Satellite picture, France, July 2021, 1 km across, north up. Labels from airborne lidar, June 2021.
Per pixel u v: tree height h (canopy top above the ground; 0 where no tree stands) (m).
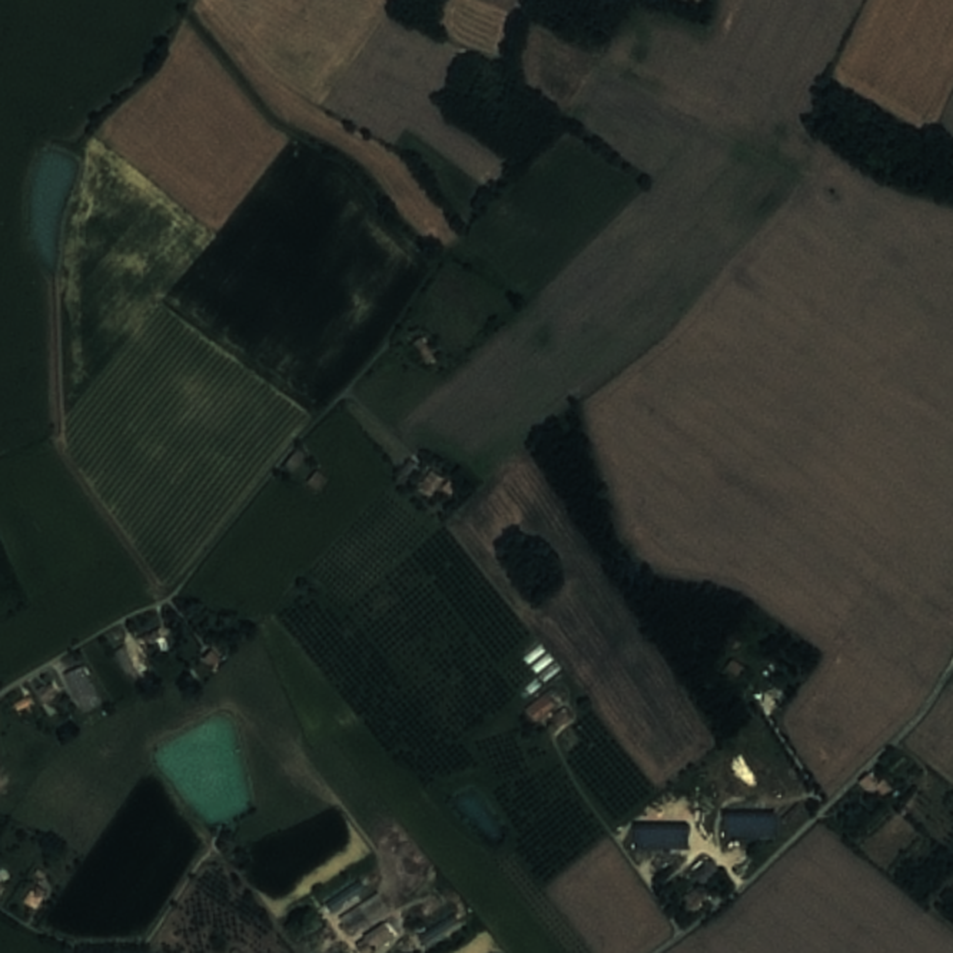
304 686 0
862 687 0
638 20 0
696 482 0
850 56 0
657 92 0
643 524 0
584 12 19
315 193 0
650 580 18
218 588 0
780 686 12
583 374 0
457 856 0
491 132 15
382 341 0
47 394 0
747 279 0
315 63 0
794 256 0
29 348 0
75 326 0
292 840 0
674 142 0
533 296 0
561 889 0
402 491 11
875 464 0
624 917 0
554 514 0
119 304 0
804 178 0
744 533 0
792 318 0
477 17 0
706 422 0
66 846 19
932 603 0
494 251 0
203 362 0
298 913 10
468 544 0
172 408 0
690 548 0
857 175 0
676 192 0
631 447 0
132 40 0
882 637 0
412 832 0
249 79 0
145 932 0
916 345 0
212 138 0
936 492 0
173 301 0
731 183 0
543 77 0
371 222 0
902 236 0
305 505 0
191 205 0
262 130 0
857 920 0
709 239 0
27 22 0
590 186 0
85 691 0
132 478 0
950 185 13
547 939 0
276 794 0
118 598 0
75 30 0
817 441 0
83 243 0
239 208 0
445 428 0
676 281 0
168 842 0
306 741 0
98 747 0
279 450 0
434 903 0
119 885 0
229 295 0
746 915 0
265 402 0
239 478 0
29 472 0
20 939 0
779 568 0
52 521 0
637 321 0
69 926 0
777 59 0
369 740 0
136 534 0
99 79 0
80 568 0
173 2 0
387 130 0
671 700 0
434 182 13
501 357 0
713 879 7
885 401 0
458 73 12
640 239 0
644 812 0
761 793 0
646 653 0
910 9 0
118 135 0
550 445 10
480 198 11
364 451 0
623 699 0
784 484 0
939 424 0
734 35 0
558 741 0
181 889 0
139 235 0
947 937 0
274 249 0
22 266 0
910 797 6
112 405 0
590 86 0
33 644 0
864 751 0
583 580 0
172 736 0
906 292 0
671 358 0
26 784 0
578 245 0
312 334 0
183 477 0
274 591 0
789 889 0
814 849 0
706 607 14
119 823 0
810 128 15
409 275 0
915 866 9
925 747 0
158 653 7
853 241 0
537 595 22
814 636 0
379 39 0
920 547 0
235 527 0
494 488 0
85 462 0
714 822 0
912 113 0
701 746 0
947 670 0
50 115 0
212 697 0
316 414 0
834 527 0
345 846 0
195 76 0
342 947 0
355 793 0
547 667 0
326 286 0
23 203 0
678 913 9
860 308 0
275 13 0
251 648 0
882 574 0
